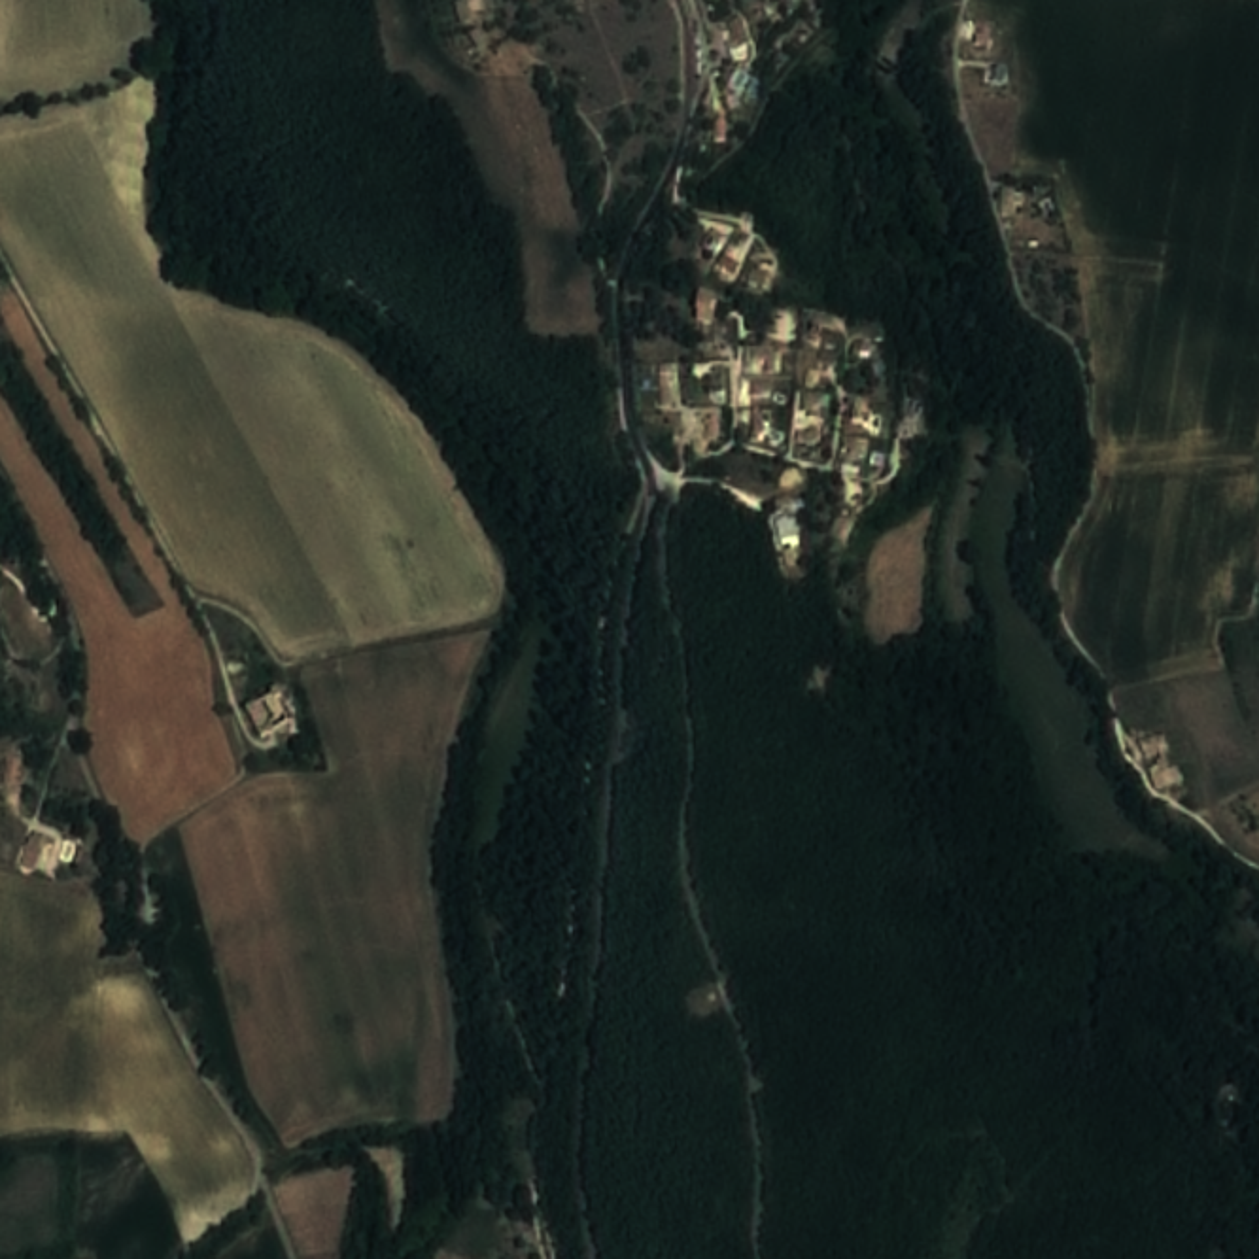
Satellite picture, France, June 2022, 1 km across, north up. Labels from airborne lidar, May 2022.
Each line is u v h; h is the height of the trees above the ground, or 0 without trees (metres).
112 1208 0
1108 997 17
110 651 0
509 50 0
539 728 11
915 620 0
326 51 8
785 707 9
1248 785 0
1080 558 0
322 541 0
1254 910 19
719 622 10
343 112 11
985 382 26
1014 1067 8
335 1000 0
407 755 0
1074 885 13
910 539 0
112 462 10
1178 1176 12
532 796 24
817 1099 10
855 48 7
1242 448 0
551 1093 17
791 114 14
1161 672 0
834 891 11
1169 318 0
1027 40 0
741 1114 7
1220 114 0
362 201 13
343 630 0
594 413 10
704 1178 8
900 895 12
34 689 0
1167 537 0
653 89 6
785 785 8
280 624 0
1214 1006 19
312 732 10
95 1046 0
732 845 7
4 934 0
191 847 0
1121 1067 12
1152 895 20
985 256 11
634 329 9
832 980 12
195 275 30
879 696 10
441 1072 0
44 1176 0
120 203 0
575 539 19
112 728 0
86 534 11
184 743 0
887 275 11
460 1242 0
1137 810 15
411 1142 7
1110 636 0
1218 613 0
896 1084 8
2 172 0
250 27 13
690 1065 7
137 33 0
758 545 8
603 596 12
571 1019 16
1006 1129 8
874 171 17
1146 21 0
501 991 13
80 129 0
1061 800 0
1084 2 0
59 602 13
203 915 0
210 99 13
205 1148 0
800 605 10
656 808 11
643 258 14
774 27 6
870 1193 10
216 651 0
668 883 7
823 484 6
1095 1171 7
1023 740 9
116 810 13
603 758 13
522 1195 15
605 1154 8
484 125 0
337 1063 0
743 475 0
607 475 8
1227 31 0
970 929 16
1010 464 0
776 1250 9
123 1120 0
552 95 8
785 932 8
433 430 12
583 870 15
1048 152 0
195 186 21
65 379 8
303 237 9
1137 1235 9
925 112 17
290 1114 0
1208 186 0
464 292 12
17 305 0
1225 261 0
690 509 6
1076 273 7
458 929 15
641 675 12
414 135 14
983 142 0
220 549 0
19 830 0
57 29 0
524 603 20
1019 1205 6
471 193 17
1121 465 0
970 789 12
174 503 0
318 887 0
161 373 0
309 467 0
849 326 9
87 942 0
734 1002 9
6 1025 0
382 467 0
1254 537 0
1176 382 0
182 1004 14
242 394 0
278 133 13
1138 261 0
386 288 9
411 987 0
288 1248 0
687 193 10
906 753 7
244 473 0
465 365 11
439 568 0
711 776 10
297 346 0
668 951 7
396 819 0
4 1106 0
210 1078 12
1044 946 7
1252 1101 17
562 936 13
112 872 14
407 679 0
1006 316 10
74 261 0
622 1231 13
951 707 10
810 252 9
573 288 0
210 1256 14
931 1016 10
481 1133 12
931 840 19
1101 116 0
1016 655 0
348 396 0
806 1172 7
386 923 0
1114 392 0
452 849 17
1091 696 13
